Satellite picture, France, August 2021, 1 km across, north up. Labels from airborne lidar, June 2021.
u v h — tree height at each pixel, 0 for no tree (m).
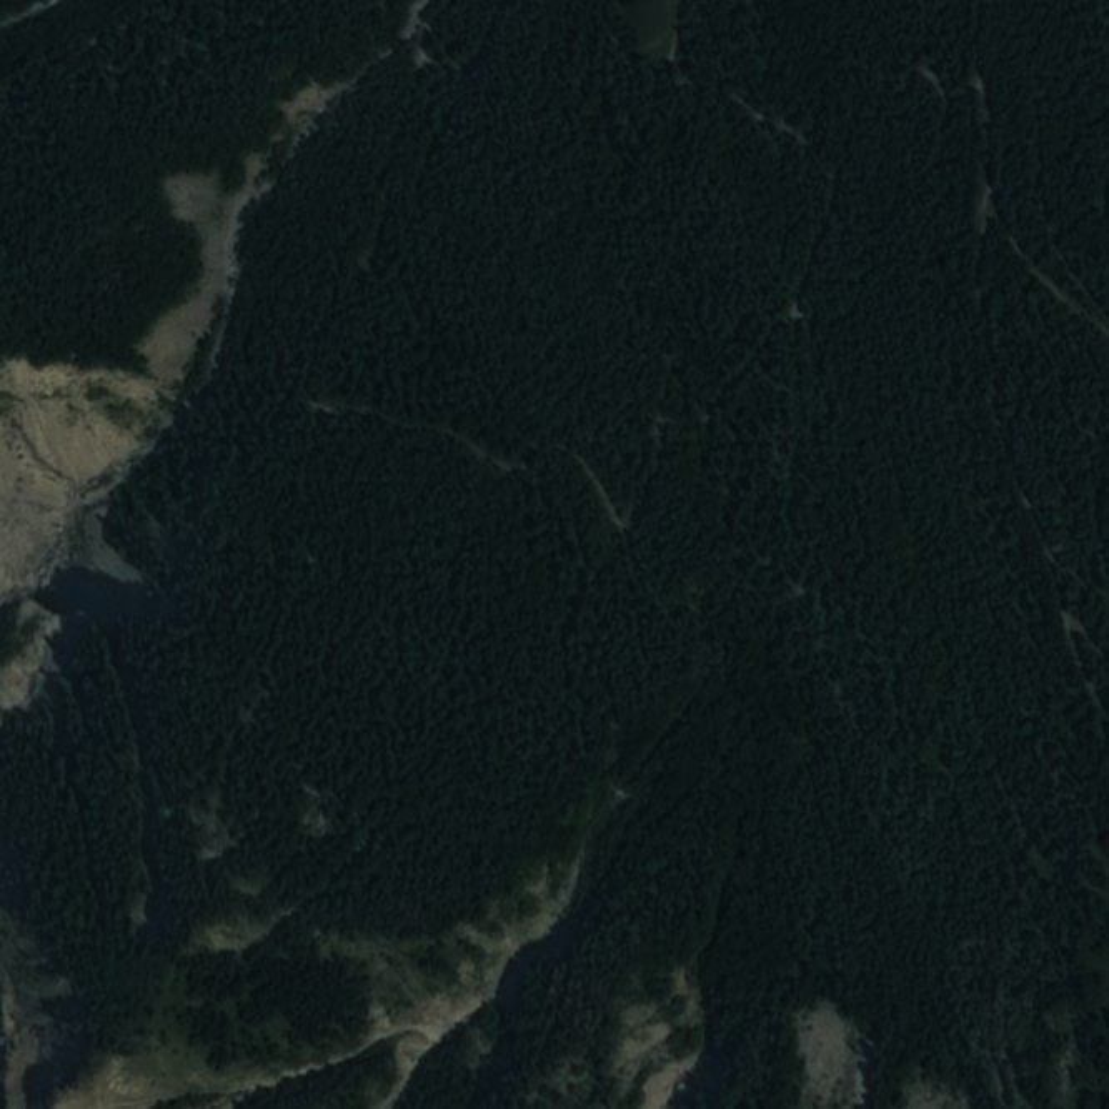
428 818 19
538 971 13
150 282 22
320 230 16
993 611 13
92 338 15
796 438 24
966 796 18
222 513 6
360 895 10
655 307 12
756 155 18
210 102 23
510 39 22
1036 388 29
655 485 15
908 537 15
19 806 23
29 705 0
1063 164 22
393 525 17
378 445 7
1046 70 27
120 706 16
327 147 13
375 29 19
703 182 27
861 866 21
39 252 13
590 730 30
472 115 25
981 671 20
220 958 7
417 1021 0
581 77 32
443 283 14
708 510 21
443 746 23
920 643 19
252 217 7
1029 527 16
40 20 13
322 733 19
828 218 26
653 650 17
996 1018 23
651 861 23
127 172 21
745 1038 18
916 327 21
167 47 24
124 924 10
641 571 16
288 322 19
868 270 20
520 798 14
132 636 16
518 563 14
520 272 16
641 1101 6
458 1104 11
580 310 14
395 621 9
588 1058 7
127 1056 12
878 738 23
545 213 22
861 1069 0
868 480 22
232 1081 0
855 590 22
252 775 14
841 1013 8
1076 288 25
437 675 22
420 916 14
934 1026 16
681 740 17
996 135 24
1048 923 24
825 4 22
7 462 0
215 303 6
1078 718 19
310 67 16
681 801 17
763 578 25
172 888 8
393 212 14
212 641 15
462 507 20
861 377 24
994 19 21
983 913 20
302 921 10
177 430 11
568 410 21
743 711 12
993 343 28
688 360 10
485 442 15
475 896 14
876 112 17
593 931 15
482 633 8
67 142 22
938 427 21
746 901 10
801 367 21
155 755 21
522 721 7
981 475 23
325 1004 18
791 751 11
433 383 18
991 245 17
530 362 23
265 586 23
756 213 18
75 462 0
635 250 27
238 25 13
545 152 19
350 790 14
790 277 20
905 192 21
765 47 15
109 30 17
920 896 11
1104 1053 12
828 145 24
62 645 0
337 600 15
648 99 26
